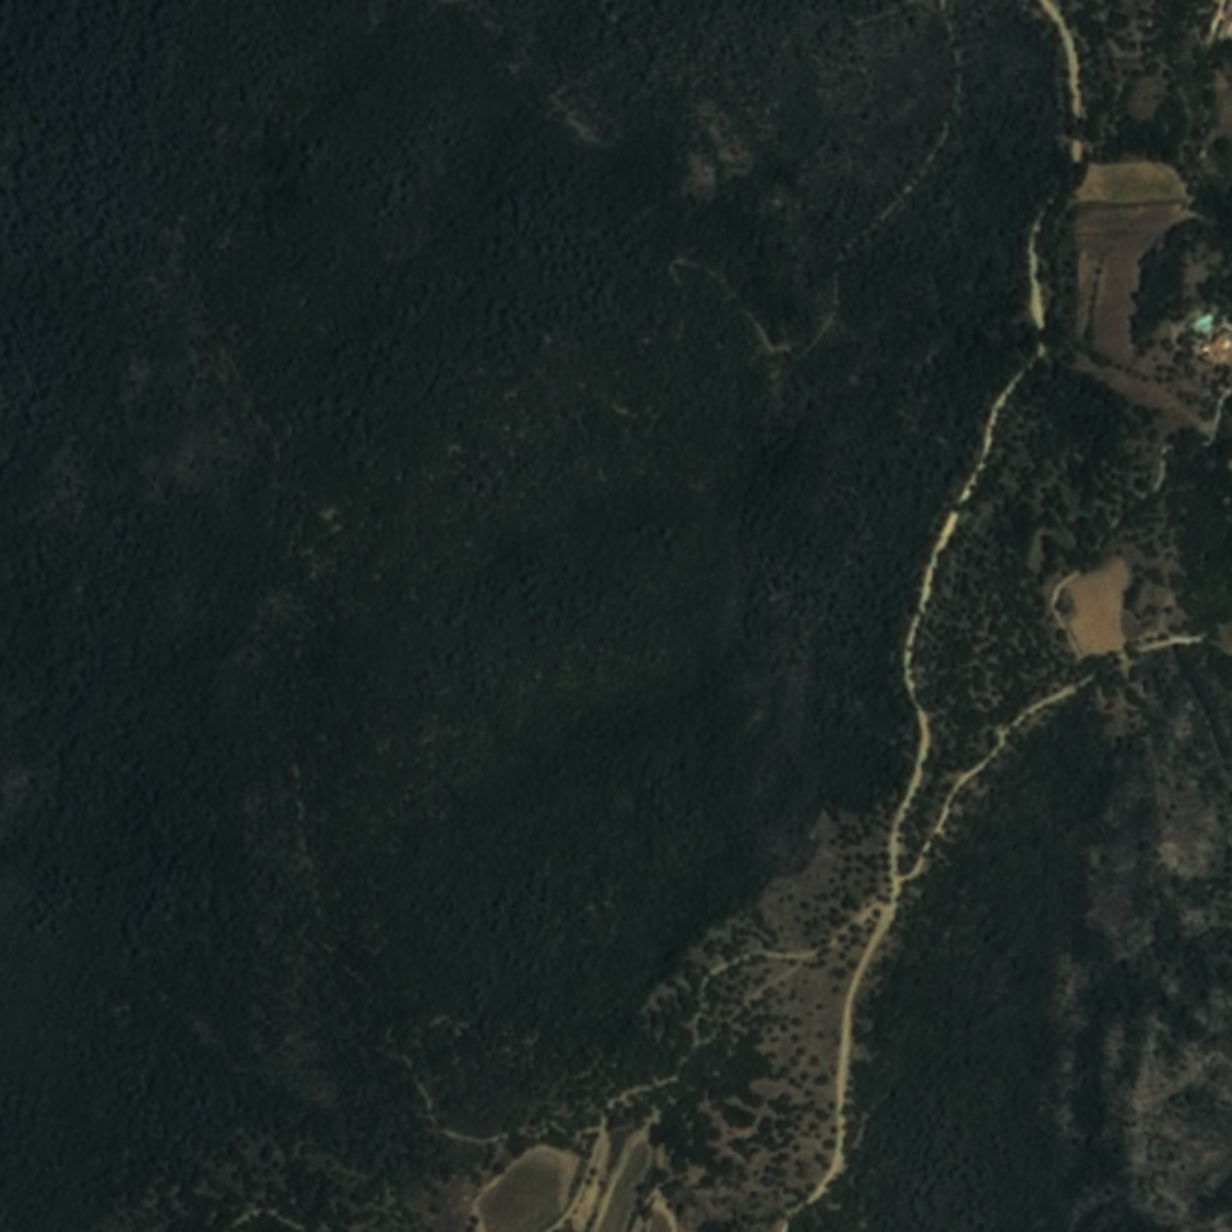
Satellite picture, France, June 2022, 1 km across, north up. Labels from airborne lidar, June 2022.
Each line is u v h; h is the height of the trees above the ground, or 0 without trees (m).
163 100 15
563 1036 7
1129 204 0
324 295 6
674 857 8
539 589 12
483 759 7
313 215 7
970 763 7
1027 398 9
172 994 8
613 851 7
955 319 6
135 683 9
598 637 6
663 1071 8
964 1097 10
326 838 6
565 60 7
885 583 8
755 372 11
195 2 14
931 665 7
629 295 8
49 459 9
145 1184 8
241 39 6
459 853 7
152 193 15
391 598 9
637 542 6
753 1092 8
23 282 7
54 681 6
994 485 9
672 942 8
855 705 7
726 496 7
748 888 5
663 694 6
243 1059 7
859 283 6
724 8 12
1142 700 7
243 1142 8
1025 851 10
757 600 9
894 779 8
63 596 8
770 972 6
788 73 11
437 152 6
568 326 13
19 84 22
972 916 7
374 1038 7
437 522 7
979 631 6
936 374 6
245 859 9
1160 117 8
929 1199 12
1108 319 0
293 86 15
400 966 8
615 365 10
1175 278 8
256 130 12
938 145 10
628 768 6
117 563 10
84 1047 8
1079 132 12
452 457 7
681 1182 11
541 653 6
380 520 9
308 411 13
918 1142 12
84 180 16
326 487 9
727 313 10
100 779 13
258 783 6
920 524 7
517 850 7
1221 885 7
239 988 6
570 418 11
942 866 7
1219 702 5
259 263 10
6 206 12
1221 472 9
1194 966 8
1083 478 8
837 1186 9
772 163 7
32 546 8
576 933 7
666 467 6
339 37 10
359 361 11
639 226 7
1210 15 8
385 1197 7
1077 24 8
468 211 8
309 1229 8
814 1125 7
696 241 7
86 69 16
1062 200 10
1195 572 8
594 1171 7
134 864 8
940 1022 12
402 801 9
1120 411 8
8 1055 7
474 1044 10
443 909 6
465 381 13
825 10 12
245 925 6
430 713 6
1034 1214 9
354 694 11
